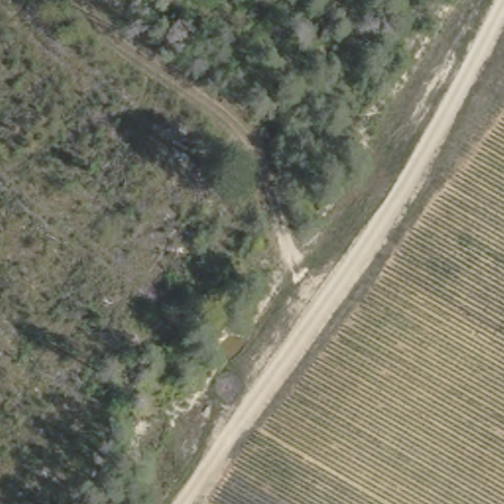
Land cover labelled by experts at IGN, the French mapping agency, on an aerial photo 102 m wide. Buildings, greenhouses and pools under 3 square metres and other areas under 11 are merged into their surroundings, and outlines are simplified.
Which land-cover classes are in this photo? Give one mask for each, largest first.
<instances>
[{"label":"coniferous trees","instance_id":"1","mask_svg":"<svg viewBox=\"0 0 504 504\"><path fill-rule=\"evenodd\" d=\"M451 0H0V504H146L152 490V480H156L159 459L154 451L146 455L140 453L144 433H136V423L146 421V429H156L159 423L169 425V415L165 413V408H171V402H177V406L181 408L187 406V398L193 392H199L203 378L209 376L211 368L215 366L220 372L224 368L226 354L224 346L219 343L220 335L228 331V339L240 341L250 337L256 323L264 317L278 289L282 287L283 276L289 272L293 276L307 268L303 260L293 266H285L278 246L280 232L289 230L293 234L295 230L309 224L307 215H297L291 209L293 195L303 187L311 201L319 199L323 203V197L329 193L331 187L339 189L346 181H350L352 159L348 152V136L339 134L343 132L348 120L356 124L360 122V116L370 106L372 96L382 85L396 83V77L402 73V53L406 39L415 31L427 35L429 31H433V16L443 4H449Z\"/></svg>","mask_w":504,"mask_h":504},{"label":"vineyard","instance_id":"2","mask_svg":"<svg viewBox=\"0 0 504 504\"><path fill-rule=\"evenodd\" d=\"M380 250L388 256V260L376 276V283L382 287L376 291L374 299L364 307V311L358 305L350 311V315L345 319V325L348 327L345 339L333 335L331 345L323 352H319V364L311 378L301 386L299 394L276 417L270 429L262 427L258 431L260 435L256 437L254 445H250V451L244 457L242 465L232 469L230 478L222 484L219 494H211L213 504H504V106L494 116L492 124L482 132L478 142L472 144L469 154L459 159L455 171L443 183V187H439L431 195V199L427 201L413 226L404 232L400 242L396 244L388 238Z\"/></svg>","mask_w":504,"mask_h":504},{"label":"herbaceous vegetation","instance_id":"3","mask_svg":"<svg viewBox=\"0 0 504 504\"><path fill-rule=\"evenodd\" d=\"M494 0H451L449 4H443L433 16V31H429L427 35L415 31L406 39L402 53V73L396 77V83L382 85L372 96L370 106L360 116V122L356 124L348 120L343 132L339 134L348 136V152L352 159L350 181H346L339 189L331 187L329 193L323 197V203L319 199L311 201L303 187L293 195L291 209L297 215H307L309 224L295 230L293 234L289 230L280 232L278 246L285 266H293L303 260L307 268L293 276L289 272L283 276L282 287L278 289L264 317L256 323L250 337L240 341L228 339V331L220 335L219 343L224 346L226 354L224 368L220 372L215 366L211 368L209 376L203 378L199 392H193L187 398V406L181 408L177 406V402H171V408H165V413L169 415V425L159 423L156 429H146V421L136 423V433H144L140 453L146 455L154 451L159 459L156 480H152V490L146 504H171L197 469V465L201 463L203 455L207 453L213 429L220 431L228 423L248 388L254 384L256 378L262 376L270 360L276 356L278 348L285 343L297 319L317 299L319 291L329 280L331 270H335L339 260L352 246L354 238L362 232L368 220L374 217L380 205L386 201L398 175L406 167L411 152L421 140L429 122L433 120L439 102L455 81L465 61L469 43L476 37L482 20ZM504 106V28L494 43L490 57L482 63L476 81L472 83L443 144L439 146L437 156L429 163L423 187L419 189L413 201L406 203V213L396 226L390 228L388 238L396 244L400 242L404 232L413 226L427 201L431 199V195L439 187H443V183L455 171L459 159L469 154L472 144L478 142L482 132L492 124L494 116ZM388 260V256L380 250L376 252L360 280L352 285L343 303L335 309L323 331L305 350L303 358L283 380L280 390L274 394L270 404L262 409L252 427L236 439V443L228 451L232 469L242 465L244 457L250 451V445H254L256 437L260 435L258 431L262 427L270 429L276 417L299 394L301 386L311 378L319 364V352H323L331 345L333 335L345 339L348 327L345 325V319L350 315V311L358 305L364 311V307L374 299L376 291L382 287L376 283V276Z\"/></svg>","mask_w":504,"mask_h":504},{"label":"pervious surface","instance_id":"4","mask_svg":"<svg viewBox=\"0 0 504 504\"><path fill-rule=\"evenodd\" d=\"M504 28V0H494L482 20L476 37L469 43L465 61L455 81L439 102L433 120L429 122L421 140L411 152L406 167L398 175L386 201L380 205L374 217L368 220L362 232L354 238L352 246L339 260L335 270H331L329 280L319 291L317 299L297 319L285 343L278 348L276 356L270 360L262 376L256 378L254 384L248 388L228 423L220 431L213 429L207 453L203 455L201 463L197 465V469L171 504H213L211 494H219L222 484L230 478L232 469L228 451L236 443V439L252 427L262 409L270 404L274 394L280 390L283 380L303 358L305 350L323 331L335 309L343 303L352 285L360 280L376 252L380 250L388 238L390 228L396 226L406 213V203L413 201L419 189L423 187L429 163L437 156L439 146L443 144L472 83L476 81L482 63L490 57L494 43Z\"/></svg>","mask_w":504,"mask_h":504}]
</instances>
